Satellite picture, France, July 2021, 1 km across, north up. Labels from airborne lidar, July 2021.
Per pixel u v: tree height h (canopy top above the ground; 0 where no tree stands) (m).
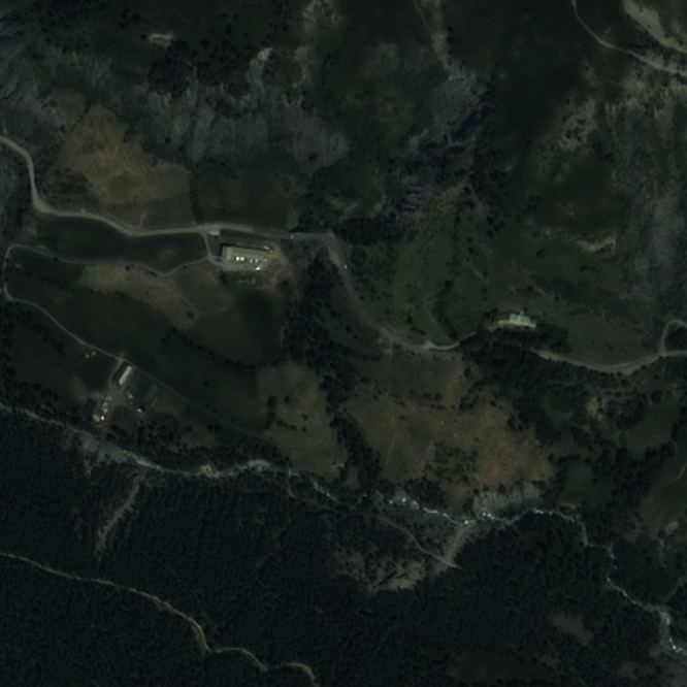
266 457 14
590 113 0
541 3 0
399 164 7
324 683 28
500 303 0
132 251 0
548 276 0
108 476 9
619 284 0
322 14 0
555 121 0
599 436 8
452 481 0
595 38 0
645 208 0
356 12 0
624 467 11
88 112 7
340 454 0
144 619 21
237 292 0
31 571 19
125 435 19
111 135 0
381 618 20
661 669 19
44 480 21
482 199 7
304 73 0
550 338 9
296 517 11
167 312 0
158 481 8
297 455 0
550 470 0
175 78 18
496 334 11
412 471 0
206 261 0
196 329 0
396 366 0
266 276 0
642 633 16
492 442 0
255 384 0
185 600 19
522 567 24
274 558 8
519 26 0
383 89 0
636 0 0
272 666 25
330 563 7
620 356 0
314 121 0
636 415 13
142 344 0
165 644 20
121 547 12
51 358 0
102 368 0
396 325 0
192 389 0
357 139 6
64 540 18
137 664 21
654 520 0
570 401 7
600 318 0
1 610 19
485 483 0
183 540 16
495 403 10
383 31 0
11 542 19
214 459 10
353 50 0
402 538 18
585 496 0
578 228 0
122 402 0
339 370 16
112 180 0
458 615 14
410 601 20
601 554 15
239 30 0
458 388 0
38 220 0
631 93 0
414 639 22
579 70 0
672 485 0
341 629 20
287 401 12
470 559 22
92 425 11
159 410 0
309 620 16
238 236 0
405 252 0
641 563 17
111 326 0
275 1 8
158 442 17
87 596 21
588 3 0
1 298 10
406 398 0
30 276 12
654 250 0
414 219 0
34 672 23
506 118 0
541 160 0
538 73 0
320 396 0
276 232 0
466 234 0
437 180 6
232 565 21
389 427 0
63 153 0
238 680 18
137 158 0
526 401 8
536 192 0
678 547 0
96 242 0
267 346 0
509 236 0
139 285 0
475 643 17
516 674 0
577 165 0
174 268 0
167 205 0
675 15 0
